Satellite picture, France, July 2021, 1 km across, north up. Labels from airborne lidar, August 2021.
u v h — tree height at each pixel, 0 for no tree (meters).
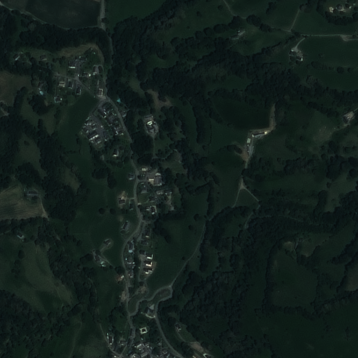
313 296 0
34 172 16
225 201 0
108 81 18
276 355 15
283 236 8
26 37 26
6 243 0
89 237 0
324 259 0
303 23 0
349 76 0
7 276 0
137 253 9
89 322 0
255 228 13
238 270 15
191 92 21
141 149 18
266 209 11
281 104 28
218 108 0
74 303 0
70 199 26
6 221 11
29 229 15
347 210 15
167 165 0
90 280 7
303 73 0
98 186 0
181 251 0
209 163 14
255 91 19
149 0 0
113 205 0
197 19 0
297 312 15
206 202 0
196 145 0
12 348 19
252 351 19
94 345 0
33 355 22
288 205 9
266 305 16
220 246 18
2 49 20
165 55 19
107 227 0
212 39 17
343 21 19
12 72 13
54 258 18
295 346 0
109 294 0
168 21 24
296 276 0
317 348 0
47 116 0
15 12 16
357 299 17
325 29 0
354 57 0
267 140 0
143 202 0
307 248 0
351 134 0
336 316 0
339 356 0
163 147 0
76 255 0
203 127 15
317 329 0
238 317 13
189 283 16
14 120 14
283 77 22
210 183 16
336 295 8
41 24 21
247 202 0
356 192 11
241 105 0
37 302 0
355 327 0
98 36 19
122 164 13
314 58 0
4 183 17
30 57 7
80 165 0
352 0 23
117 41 12
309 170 20
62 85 0
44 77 19
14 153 16
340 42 0
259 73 19
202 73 20
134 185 0
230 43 19
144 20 8
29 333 24
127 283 0
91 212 0
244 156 0
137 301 0
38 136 7
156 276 0
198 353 0
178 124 18
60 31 27
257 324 0
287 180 0
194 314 17
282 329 0
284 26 0
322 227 9
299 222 9
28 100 10
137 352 7
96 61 0
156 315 0
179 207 9
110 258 0
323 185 0
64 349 0
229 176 0
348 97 15
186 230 0
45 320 19
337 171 23
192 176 17
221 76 20
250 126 0
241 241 11
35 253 0
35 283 0
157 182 0
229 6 0
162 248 0
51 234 23
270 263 17
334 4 0
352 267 22
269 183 0
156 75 17
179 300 9
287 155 0
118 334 17
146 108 6
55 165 20
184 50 15
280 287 0
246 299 20
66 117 0
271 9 14
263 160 17
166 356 6
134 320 9
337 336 0
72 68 0
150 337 9
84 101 0
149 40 17
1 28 20
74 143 0
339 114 9
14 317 21
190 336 0
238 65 22
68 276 25
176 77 25
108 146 17
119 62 21
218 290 21
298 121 0
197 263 0
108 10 10
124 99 23
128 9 0
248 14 0
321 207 7
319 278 11
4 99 0
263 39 0
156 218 13
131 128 21
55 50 15
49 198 18
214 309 14
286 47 0
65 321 20
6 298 17
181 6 24
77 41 26
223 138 0
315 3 14
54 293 0
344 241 0
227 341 18
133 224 0
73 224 0
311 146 0
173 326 14
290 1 0
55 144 29
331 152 11
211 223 16
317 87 22
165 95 13
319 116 0
